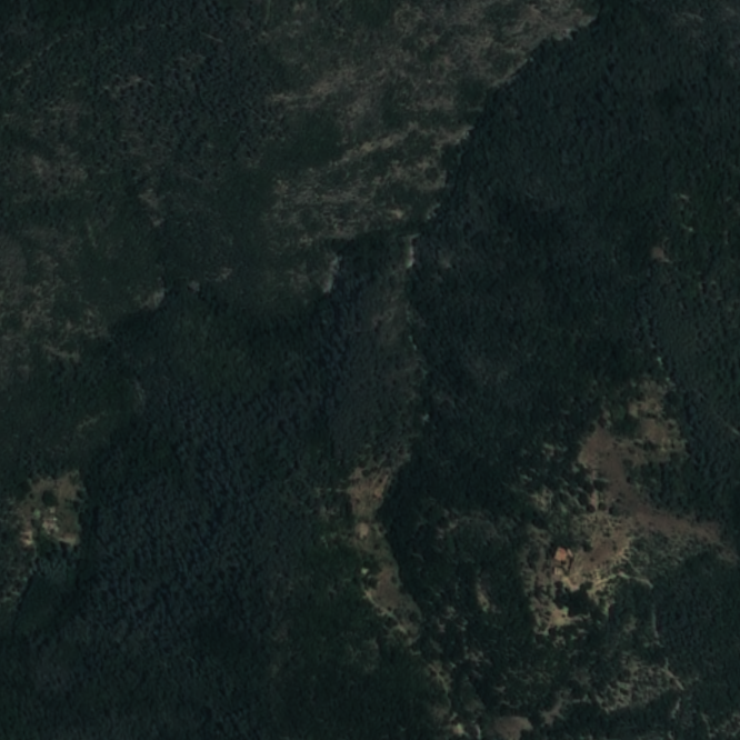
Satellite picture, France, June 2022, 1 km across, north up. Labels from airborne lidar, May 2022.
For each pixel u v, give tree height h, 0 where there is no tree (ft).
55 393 33
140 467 46
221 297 35
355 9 23
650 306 53
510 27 24
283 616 34
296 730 29
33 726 41
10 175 57
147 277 31
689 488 21
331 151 28
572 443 26
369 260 38
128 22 41
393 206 23
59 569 75
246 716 55
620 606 29
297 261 20
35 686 34
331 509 66
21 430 32
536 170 21
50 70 61
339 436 63
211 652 30
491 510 37
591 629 37
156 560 55
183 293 31
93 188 27
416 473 65
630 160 29
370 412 74
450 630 33
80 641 24
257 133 59
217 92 68
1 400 24
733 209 56
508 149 34
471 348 22
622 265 26
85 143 23
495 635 38
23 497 34
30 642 69
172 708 24
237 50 75
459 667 31
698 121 29
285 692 43
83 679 36
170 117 58
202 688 28
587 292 26
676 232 41
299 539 77
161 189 28
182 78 75
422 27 29
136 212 48
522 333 29
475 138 34
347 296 38
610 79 80
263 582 56
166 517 74
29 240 27
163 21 68
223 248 25
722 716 18
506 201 31
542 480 31
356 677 54
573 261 25
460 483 35
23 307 23
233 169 28
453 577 20
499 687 33
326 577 32
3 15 32
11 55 54
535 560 23
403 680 50
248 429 81
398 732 53
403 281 22
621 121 61
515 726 0
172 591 63
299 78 21
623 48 28
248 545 39
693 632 38
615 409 33
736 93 26
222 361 44
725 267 65
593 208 31
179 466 38
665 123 20
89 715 24
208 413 67
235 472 71
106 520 77
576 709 28
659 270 45
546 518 22
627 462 20
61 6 48
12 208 33
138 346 28
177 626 38
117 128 26
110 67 71
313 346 27
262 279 24
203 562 82
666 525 0
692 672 39
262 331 52
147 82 48
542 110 44
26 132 23
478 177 22
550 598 19
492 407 30
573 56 42
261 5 19
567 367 35
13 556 20
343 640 31
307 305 32
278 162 23
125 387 29
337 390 88
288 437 36
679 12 23
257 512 78
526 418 33
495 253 22
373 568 28
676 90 17
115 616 27
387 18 26
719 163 61
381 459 63
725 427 49
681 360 62
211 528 19
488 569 30
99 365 53
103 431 33
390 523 49
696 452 60
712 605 23
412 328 30
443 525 42
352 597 26
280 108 51
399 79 32
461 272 20
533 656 28
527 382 26
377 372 42
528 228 49
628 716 27
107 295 23
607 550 0
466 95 31
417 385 41
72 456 38
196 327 22
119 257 24
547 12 24
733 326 68
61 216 28
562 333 35
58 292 20
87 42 59
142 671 32
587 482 24
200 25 68
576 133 21
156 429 31
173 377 36
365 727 43
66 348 26
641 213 42
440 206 25
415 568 43
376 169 25
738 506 37
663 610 26
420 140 19
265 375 27
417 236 35
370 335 67
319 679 35
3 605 35
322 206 26
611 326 26
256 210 22
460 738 39
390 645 27
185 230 41
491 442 21
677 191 38
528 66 29
